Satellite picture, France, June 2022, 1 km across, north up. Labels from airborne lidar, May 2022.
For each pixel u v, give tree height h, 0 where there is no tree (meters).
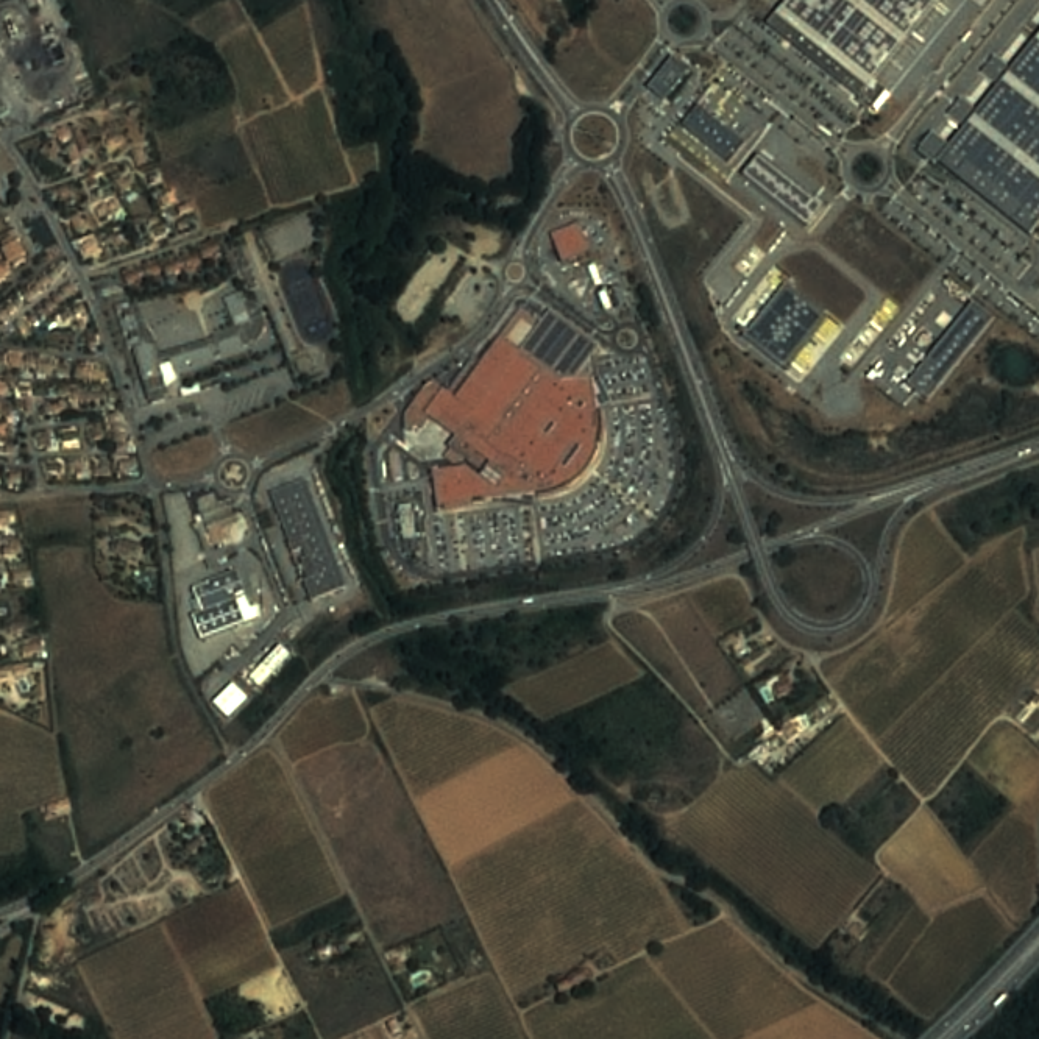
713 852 0
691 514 0
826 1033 0
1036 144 0
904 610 0
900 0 0
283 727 0
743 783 0
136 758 0
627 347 0
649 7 0
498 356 0
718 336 0
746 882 0
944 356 0
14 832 0
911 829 0
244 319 0
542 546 0
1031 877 0
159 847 0
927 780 0
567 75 0
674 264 0
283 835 0
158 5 0
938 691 0
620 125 0
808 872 0
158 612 0
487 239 0
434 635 6
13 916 0
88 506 0
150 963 0
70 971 0
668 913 0
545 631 11
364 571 6
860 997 20
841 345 0
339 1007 0
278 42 0
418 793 0
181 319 0
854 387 0
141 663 0
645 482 0
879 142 0
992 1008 0
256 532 0
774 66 0
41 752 0
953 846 0
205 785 0
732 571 0
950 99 0
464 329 0
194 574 0
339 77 7
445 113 0
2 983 0
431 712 0
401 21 0
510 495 0
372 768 0
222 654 0
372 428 0
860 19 0
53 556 0
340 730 0
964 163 0
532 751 0
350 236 8
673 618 0
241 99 0
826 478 0
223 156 0
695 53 0
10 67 0
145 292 6
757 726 0
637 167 0
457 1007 0
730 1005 0
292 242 0
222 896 0
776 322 0
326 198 9
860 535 0
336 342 11
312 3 0
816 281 0
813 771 0
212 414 0
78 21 8
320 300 0
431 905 0
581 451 0
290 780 0
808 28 0
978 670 0
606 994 0
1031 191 0
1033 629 0
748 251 0
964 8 0
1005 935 0
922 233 0
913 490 0
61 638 0
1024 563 0
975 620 0
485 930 0
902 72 0
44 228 0
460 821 0
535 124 13
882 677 0
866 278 0
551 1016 0
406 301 0
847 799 0
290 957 0
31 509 0
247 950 0
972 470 0
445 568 0
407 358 0
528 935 0
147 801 0
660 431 0
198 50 6
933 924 0
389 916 0
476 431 0
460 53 0
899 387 0
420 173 24
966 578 0
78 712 0
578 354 0
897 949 0
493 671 12
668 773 0
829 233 0
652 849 12
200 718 0
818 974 17
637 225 0
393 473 0
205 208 0
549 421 0
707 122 0
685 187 0
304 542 0
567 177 0
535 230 0
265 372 7
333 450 7
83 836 0
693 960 0
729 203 0
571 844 0
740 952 0
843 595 0
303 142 0
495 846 0
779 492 0
